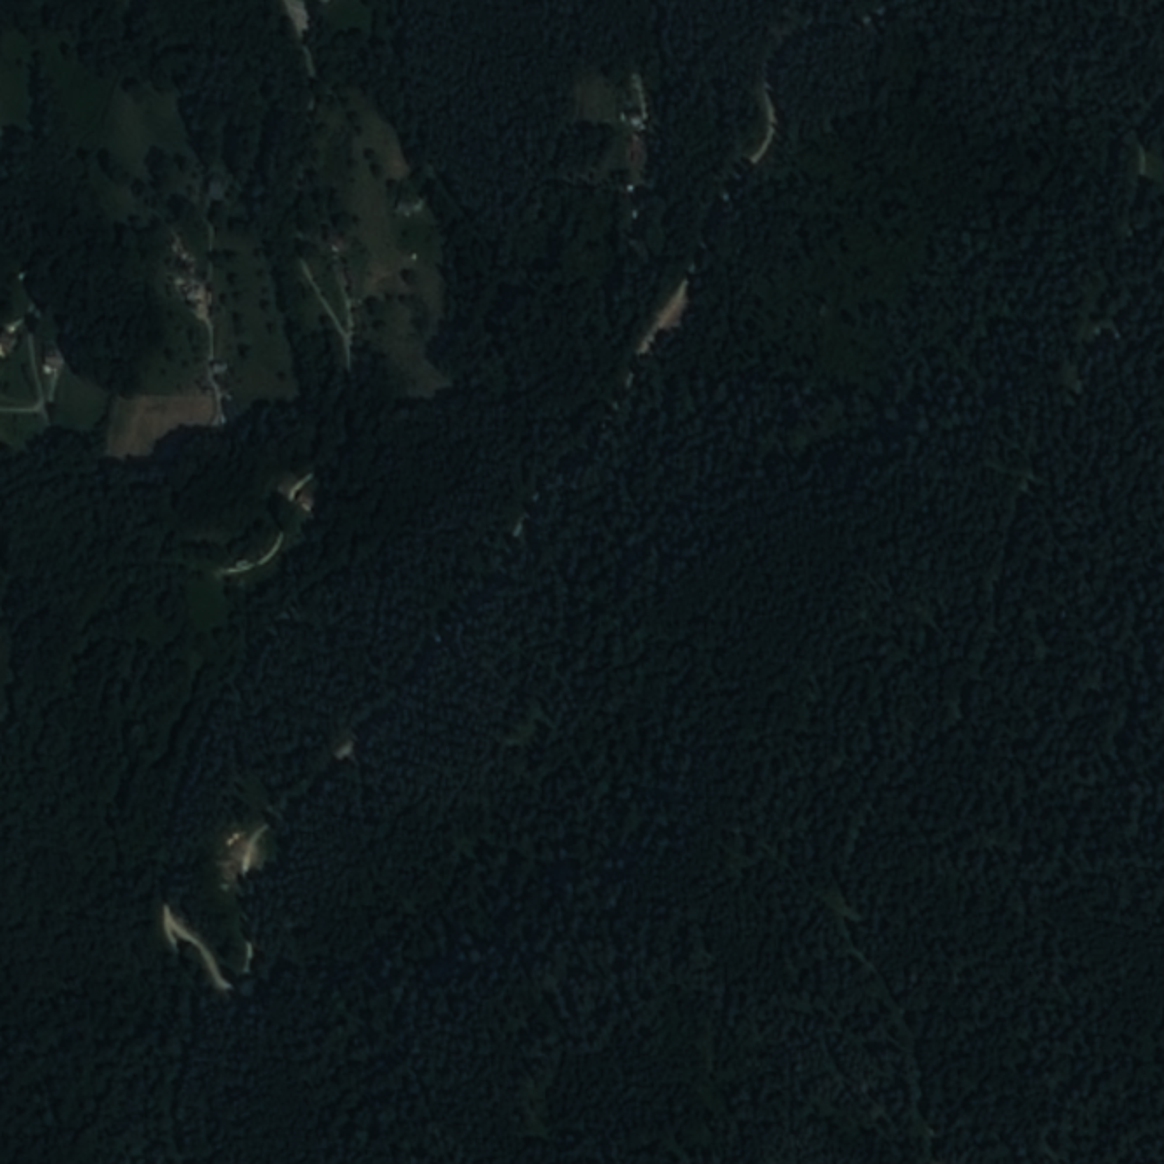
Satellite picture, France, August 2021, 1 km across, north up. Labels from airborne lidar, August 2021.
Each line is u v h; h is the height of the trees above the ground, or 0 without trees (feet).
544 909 82
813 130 74
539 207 93
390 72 69
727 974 55
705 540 67
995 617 51
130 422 0
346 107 30
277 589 45
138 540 48
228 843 0
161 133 0
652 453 67
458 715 88
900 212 78
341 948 70
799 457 23
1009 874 23
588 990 114
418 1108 68
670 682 48
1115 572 56
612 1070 44
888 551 85
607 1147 70
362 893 70
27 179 67
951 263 20
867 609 35
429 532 98
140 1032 38
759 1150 94
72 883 90
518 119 86
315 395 76
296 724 69
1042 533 93
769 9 81
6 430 0
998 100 117
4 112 0
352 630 66
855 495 79
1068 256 72
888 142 19
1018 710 60
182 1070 51
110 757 61
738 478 76
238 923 0
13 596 33
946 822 90
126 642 24
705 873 67
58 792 48
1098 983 25
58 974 64
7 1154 90
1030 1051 35
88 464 59
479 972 82
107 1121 51
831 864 76
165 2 60
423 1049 70
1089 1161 45
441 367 66
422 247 0
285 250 66
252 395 0
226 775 60
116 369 69
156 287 61
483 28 102
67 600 82
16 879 66
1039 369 63
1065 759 94
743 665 73
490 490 98
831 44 77
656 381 100
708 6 97
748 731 73
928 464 73
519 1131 57
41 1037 97
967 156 23
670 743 63
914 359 28
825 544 73
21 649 44
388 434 86
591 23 77
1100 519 45
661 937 99
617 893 77
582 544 64
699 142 70
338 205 43
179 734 50
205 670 23
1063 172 32
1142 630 65
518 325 80
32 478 63
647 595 92
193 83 87
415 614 95
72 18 95
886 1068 108
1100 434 76
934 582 88
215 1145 79
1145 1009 48
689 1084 21
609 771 64
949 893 53
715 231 73
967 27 109
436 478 80
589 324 50
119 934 57
